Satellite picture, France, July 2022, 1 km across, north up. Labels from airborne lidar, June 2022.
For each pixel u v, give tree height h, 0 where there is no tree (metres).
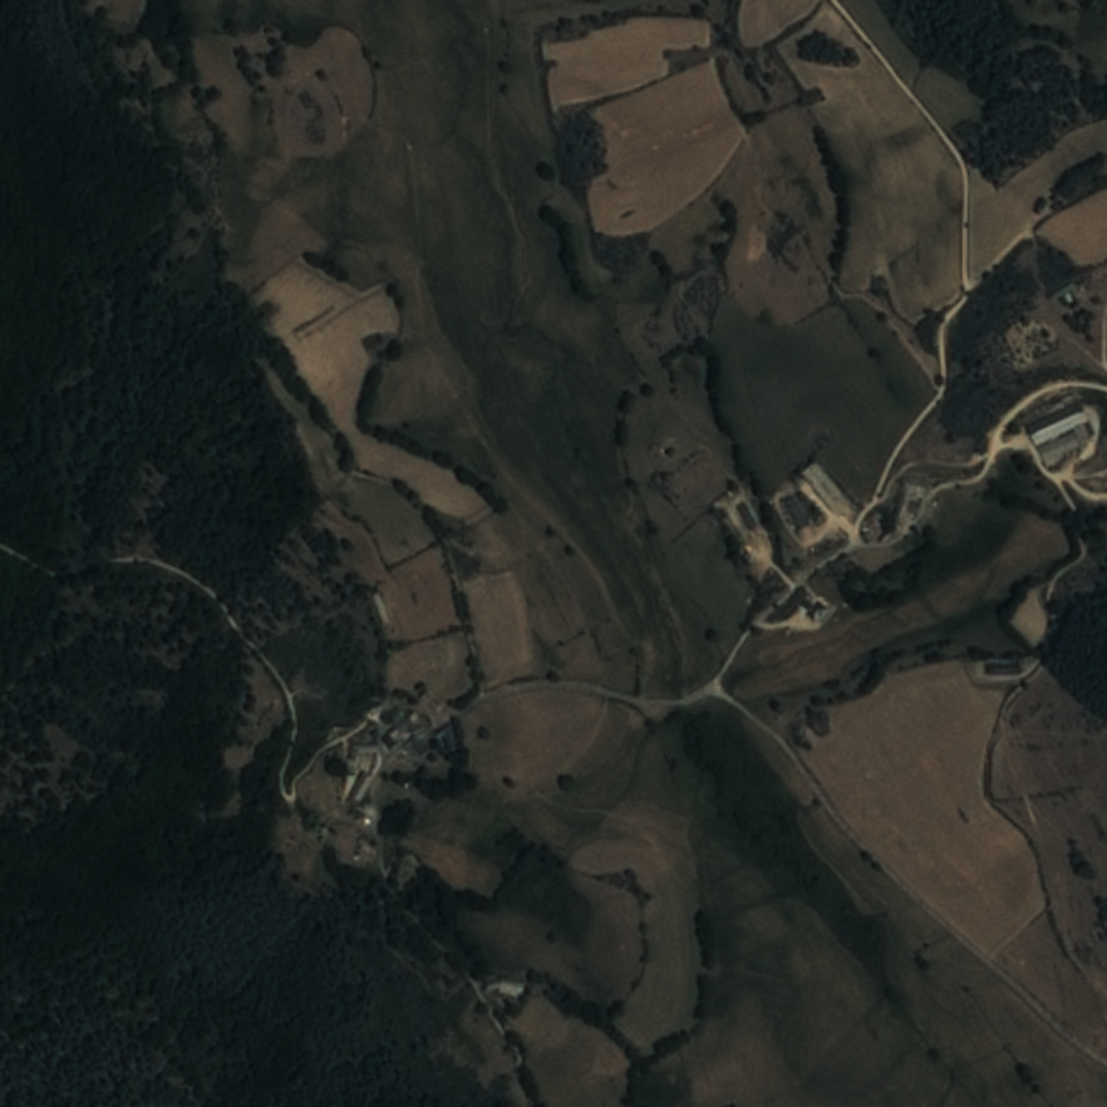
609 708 0
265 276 0
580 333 0
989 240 0
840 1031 0
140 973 9
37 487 15
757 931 0
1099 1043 0
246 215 0
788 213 0
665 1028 0
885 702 0
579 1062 0
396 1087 14
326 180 0
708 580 0
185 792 19
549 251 0
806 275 0
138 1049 15
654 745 0
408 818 13
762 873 0
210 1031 9
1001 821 0
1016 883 0
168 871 9
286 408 7
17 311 20
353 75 0
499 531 0
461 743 15
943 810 0
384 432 17
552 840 0
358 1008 15
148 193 20
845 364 0
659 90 0
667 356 6
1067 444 0
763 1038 0
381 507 0
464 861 0
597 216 0
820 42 11
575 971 0
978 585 0
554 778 0
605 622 0
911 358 0
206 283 0
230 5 0
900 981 0
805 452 0
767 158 0
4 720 11
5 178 16
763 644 0
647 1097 0
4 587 11
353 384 0
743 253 0
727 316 0
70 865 12
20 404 17
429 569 0
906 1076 0
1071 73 16
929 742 0
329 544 13
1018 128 20
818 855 0
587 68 0
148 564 6
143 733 16
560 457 0
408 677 0
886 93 0
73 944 10
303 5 0
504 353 0
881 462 0
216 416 16
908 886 0
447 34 0
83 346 14
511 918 0
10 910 15
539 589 0
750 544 0
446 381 0
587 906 0
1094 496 0
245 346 16
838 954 0
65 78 18
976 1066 0
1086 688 19
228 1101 11
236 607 13
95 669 11
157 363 12
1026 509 8
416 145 0
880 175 0
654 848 0
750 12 0
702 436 0
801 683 0
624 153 0
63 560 15
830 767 0
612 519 0
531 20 0
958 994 0
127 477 20
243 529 17
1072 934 0
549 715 0
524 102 0
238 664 9
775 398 0
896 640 0
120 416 14
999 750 0
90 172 22
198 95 16
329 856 14
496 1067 0
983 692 0
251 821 9
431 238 0
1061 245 0
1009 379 0
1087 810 0
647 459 0
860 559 0
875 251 0
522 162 0
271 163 0
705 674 0
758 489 9
